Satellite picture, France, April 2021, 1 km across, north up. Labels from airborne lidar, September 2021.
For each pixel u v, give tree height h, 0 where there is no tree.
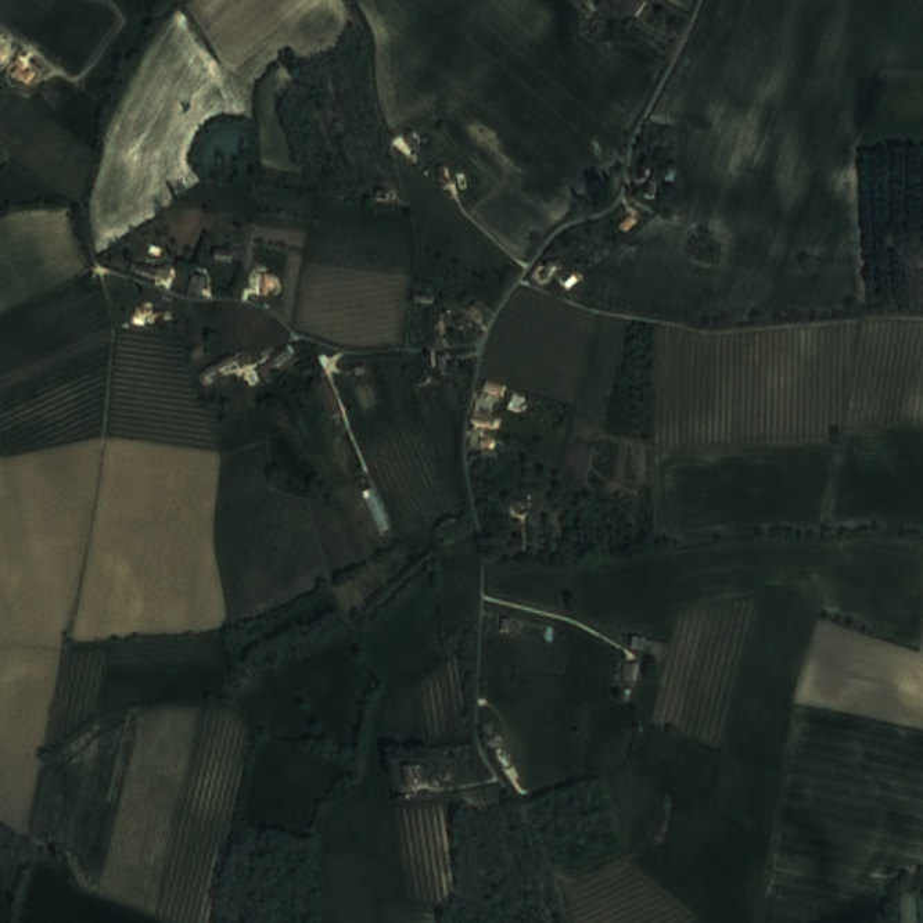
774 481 0
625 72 0
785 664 0
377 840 0
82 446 0
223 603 0
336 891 0
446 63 0
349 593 0
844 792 0
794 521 0
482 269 0
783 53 0
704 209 0
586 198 6
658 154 10
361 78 21
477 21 0
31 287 0
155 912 0
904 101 0
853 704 0
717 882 0
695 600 0
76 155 0
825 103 0
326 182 15
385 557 16
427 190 0
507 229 0
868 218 11
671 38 10
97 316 0
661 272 0
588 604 0
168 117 0
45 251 0
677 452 0
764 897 0
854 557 0
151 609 0
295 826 0
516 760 0
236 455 0
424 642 0
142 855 0
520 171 0
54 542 0
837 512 0
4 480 0
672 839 0
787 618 0
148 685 0
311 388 9
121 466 0
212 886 0
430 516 0
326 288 0
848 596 0
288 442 0
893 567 0
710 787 0
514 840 20
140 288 0
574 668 0
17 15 0
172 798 0
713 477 0
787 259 0
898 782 0
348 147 20
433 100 0
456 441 0
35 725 0
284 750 0
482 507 6
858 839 0
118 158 0
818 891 0
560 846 14
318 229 0
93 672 0
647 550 24
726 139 0
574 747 0
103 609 0
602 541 13
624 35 12
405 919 0
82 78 0
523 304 0
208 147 0
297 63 11
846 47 0
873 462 0
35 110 0
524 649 0
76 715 0
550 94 0
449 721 0
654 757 0
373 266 0
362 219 0
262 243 7
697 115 0
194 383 0
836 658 0
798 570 0
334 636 20
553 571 8
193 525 0
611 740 0
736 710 0
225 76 0
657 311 0
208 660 0
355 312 0
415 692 0
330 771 0
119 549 0
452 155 0
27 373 0
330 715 0
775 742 0
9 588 0
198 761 0
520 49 0
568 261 0
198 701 0
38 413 0
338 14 0
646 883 0
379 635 0
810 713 0
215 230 0
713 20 0
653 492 0
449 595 0
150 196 0
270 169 7
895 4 0
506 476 0
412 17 0
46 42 0
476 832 21
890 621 0
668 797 0
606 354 0
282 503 0
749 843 0
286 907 21
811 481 0
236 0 0
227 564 0
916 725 0
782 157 0
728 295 0
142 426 0
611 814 16
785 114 0
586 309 0
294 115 19
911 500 0
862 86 0
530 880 20
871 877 0
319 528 0
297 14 0
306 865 26
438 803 0
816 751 0
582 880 0
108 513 0
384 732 0
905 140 0
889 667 0
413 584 10
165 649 0
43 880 0
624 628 0
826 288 0
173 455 0
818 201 0
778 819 0
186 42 0
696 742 0
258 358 0
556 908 19
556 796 13
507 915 22
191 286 0
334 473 0
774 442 0
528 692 0
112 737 0
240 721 0
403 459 0
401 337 0
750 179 0
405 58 0
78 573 0
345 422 0
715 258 16
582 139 0
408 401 0
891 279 13
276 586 0
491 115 0
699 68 0
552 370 0
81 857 0
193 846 0
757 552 0
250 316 0
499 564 12
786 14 0
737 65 0
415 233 0
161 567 0
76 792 0
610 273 0
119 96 16
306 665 0
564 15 0
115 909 0
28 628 0
